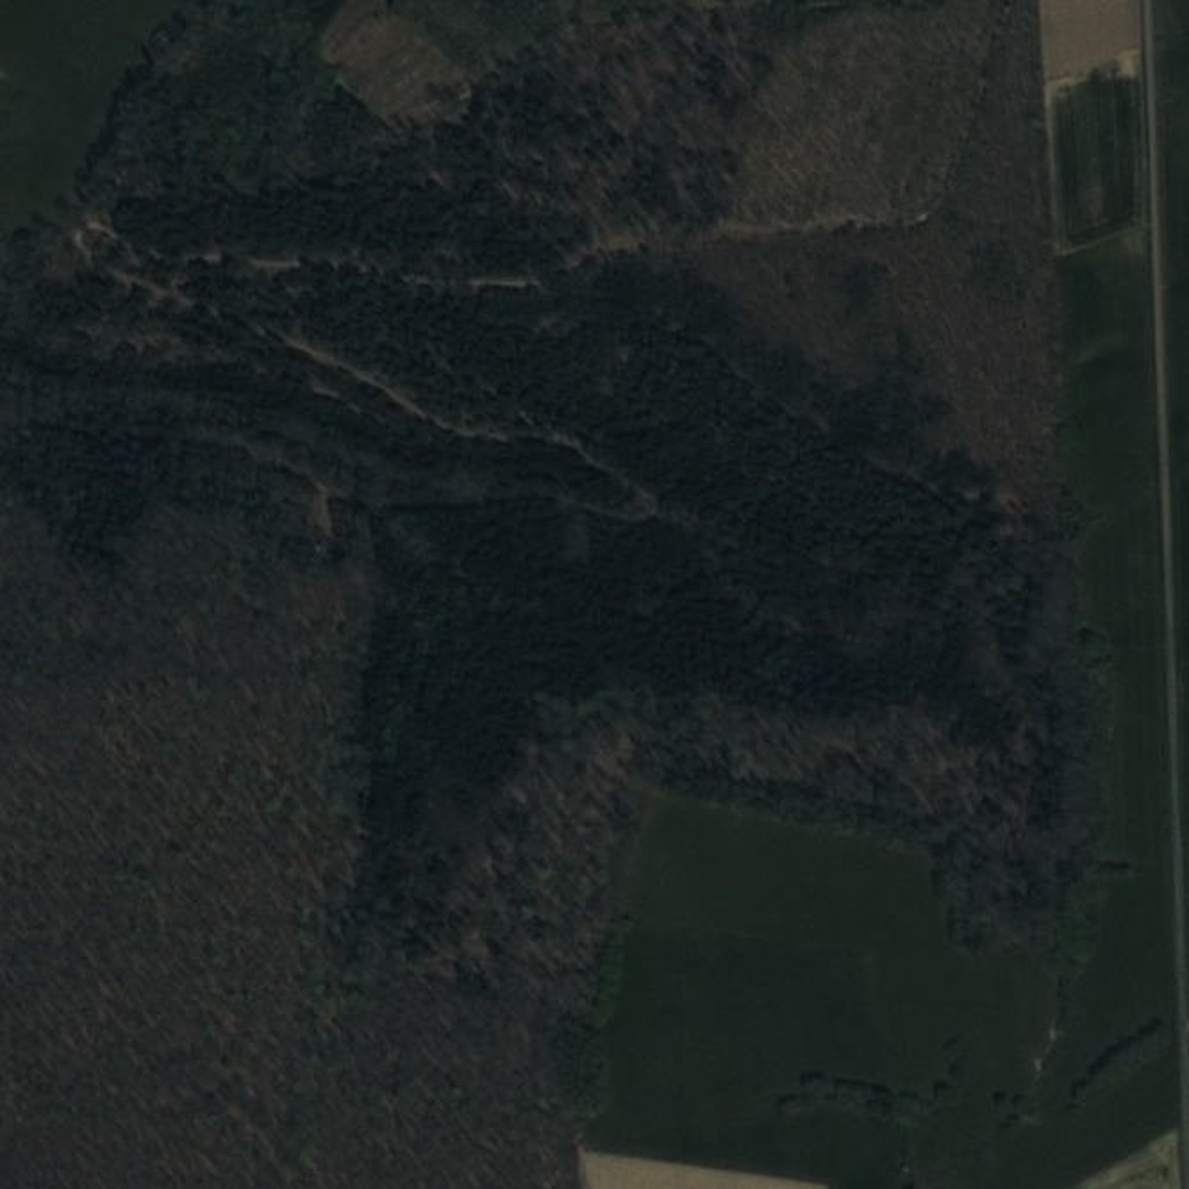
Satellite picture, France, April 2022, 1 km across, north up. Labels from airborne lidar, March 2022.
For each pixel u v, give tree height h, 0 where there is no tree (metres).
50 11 0
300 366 28
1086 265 0
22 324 28
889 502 24
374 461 21
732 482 20
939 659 17
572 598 16
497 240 15
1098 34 0
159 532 30
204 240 28
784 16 12
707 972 0
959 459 14
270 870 28
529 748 25
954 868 32
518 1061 28
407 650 16
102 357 17
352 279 8
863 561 32
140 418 28
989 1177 0
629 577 21
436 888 14
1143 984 0
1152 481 0
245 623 27
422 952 28
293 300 30
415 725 18
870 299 17
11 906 29
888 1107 18
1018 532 11
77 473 29
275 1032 28
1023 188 14
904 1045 0
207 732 26
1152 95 0
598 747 32
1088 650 29
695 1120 0
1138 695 0
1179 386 0
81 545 34
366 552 24
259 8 22
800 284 16
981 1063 0
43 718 30
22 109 0
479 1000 20
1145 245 0
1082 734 33
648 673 18
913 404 15
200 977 25
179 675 29
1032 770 9
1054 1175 0
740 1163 0
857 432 20
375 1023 29
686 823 0
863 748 34
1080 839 38
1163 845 0
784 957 0
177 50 25
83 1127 23
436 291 10
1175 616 0
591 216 29
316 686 31
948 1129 0
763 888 0
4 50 0
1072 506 20
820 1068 0
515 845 27
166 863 24
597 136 26
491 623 18
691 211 26
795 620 14
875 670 16
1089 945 17
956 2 15
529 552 13
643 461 13
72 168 0
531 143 27
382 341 30
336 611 22
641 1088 0
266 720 30
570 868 29
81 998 27
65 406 29
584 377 16
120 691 31
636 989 0
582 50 0
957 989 0
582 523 17
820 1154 0
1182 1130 0
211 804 27
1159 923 0
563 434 28
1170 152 0
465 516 18
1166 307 0
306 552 17
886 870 0
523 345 11
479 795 12
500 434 17
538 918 30
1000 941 28
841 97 0
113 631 34
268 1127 29
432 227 17
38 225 0
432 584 18
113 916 27
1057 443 13
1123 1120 0
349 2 22
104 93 0
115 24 0
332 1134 28
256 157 22
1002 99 16
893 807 33
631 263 19
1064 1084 0
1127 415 0
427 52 0
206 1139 28
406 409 6
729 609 21
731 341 19
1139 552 0
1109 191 0
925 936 0
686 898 0
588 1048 21
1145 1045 12
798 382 19
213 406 28
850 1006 0
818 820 22
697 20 28
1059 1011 0
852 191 0
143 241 25
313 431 25
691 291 16
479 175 16
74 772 29
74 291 8
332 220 22
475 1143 30
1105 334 0
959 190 15
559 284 12
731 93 25
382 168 30
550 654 23
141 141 28
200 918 26
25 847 28
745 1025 0
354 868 27
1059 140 0
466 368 23
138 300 12
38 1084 24
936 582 18
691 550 21
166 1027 26
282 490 19
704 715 32
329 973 32
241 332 10
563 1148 26
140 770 26
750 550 14
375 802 12
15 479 36
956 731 29
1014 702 19
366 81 0
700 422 14
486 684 17
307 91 23
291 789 32
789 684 18
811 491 27
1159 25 0
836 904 0
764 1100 0
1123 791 0
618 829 30
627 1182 0
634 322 19
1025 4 15
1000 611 35
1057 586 29
